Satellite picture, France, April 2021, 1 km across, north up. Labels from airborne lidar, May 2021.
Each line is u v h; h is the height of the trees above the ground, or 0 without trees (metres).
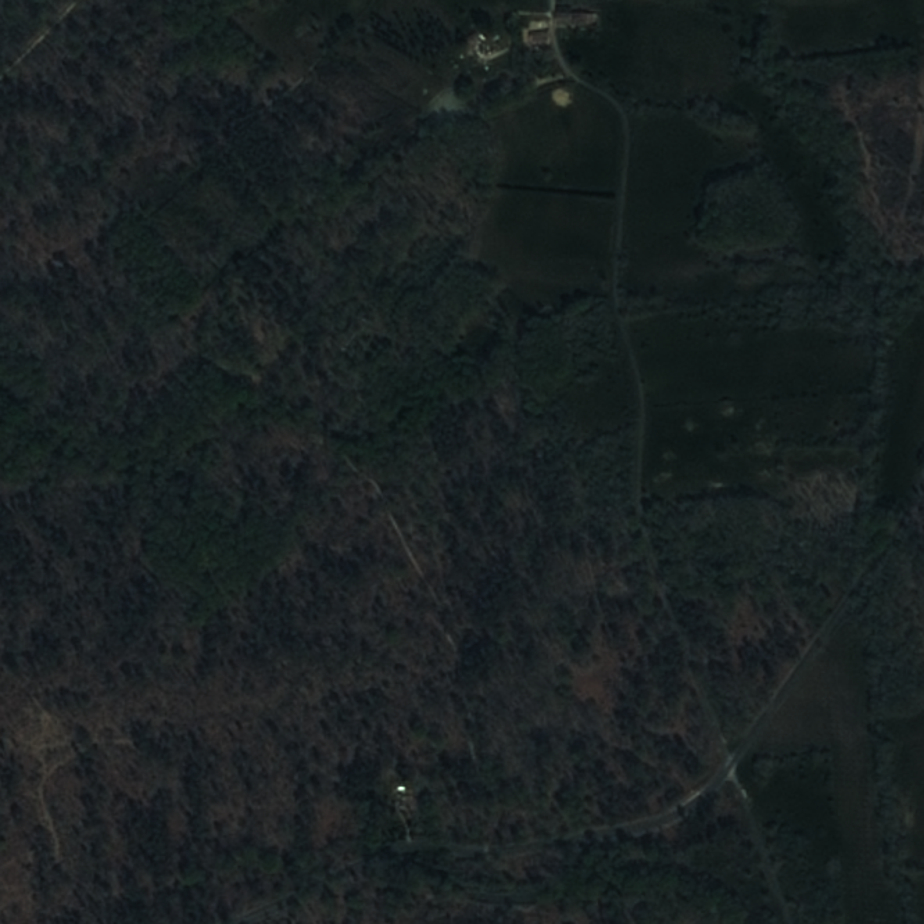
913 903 17
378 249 21
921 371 0
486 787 17
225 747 8
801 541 13
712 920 22
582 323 7
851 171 14
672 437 0
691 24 0
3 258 17
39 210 11
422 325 22
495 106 25
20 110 22
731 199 19
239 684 12
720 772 0
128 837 26
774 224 16
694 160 0
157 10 15
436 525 22
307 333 17
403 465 16
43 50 6
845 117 9
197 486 16
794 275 6
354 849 7
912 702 18
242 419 15
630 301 11
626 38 0
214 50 25
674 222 0
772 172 11
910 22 0
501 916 14
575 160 0
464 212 12
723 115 13
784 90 18
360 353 19
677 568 23
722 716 15
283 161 28
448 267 17
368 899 13
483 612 24
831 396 0
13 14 17
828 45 0
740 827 12
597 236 0
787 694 0
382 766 14
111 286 15
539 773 20
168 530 23
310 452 11
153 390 13
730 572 15
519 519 15
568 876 21
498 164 8
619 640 22
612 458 12
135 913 24
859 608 15
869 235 16
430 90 0
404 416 17
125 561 19
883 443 9
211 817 13
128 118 13
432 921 8
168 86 16
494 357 21
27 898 0
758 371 0
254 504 17
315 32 10
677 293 6
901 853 16
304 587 15
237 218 12
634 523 20
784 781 0
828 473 0
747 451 0
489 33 20
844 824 0
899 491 0
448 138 17
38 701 11
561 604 17
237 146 24
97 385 12
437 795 17
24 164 18
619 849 21
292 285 13
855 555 17
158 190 6
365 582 26
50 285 12
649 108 9
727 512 23
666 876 26
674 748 17
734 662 20
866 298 17
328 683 8
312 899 22
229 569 24
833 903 7
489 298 23
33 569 19
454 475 15
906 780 0
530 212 0
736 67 9
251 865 14
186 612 14
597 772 9
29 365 26
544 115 0
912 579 13
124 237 22
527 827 11
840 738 11
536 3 0
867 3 0
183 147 16
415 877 22
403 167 13
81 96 18
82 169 12
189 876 23
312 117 10
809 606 22
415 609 7
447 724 16
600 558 24
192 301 21
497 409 17
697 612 21
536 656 30
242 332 18
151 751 24
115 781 8
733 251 8
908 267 9
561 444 12
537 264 0
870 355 9
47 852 19
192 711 10
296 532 23
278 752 8
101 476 15
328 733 18
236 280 12
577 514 22
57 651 26
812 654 0
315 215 18
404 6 0
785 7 0
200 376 17
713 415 0
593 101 0
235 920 24
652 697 26
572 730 16
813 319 7
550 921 0
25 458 20
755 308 6
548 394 13
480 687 13
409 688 14
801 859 6
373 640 11
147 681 23
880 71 7
